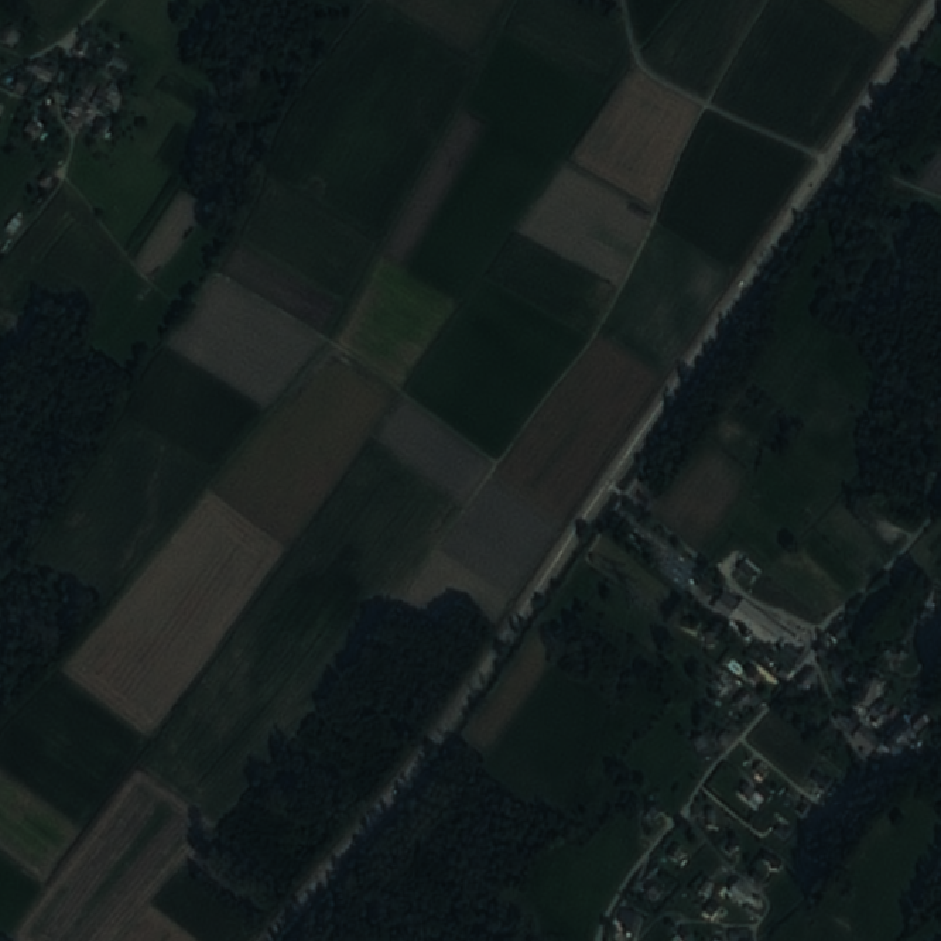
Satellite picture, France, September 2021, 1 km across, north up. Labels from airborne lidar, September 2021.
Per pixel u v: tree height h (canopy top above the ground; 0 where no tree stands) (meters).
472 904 14
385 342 0
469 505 0
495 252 0
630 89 0
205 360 0
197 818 0
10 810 0
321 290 0
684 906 0
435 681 29
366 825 0
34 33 10
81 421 27
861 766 10
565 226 0
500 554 0
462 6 0
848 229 9
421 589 0
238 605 0
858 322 24
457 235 0
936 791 26
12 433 23
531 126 0
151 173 0
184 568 0
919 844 0
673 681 0
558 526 0
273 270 0
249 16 26
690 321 0
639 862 0
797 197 0
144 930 0
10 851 0
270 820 7
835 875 24
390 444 0
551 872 0
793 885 0
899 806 16
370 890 21
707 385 24
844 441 0
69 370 27
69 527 0
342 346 0
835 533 0
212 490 0
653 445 12
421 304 0
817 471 0
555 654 31
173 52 0
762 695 14
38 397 27
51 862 0
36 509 21
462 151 0
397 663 29
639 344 0
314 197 0
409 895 19
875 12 0
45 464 25
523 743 0
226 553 0
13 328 0
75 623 27
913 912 19
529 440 0
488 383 0
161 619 0
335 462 0
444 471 0
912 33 0
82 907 0
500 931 17
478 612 24
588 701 0
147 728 0
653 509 0
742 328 21
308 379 0
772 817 0
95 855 0
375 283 0
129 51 0
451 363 0
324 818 30
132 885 0
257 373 0
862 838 20
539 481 0
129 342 0
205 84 0
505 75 0
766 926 0
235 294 0
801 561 0
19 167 0
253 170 33
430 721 28
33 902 0
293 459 0
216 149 29
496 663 11
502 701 0
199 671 0
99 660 0
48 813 0
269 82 18
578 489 0
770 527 0
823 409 0
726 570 0
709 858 0
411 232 0
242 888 37
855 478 0
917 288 28
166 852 0
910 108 19
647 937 0
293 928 14
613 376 0
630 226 0
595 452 0
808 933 0
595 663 13
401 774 0
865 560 0
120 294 0
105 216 9
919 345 29
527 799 0
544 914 0
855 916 0
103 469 0
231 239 22
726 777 0
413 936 14
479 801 16
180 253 0
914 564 0
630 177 0
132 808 0
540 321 0
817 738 18
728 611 0
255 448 0
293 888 7
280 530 0
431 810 23
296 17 15
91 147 15
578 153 0
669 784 0
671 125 0
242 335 0
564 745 0
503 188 0
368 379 0
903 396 16
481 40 0
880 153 21
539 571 0
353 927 27
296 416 0
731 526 0
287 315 0
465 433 0
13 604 25
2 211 0
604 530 12
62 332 29
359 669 27
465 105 0
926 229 26
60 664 18
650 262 0
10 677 22
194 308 10
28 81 7
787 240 11
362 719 19
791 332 0
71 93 10
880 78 0
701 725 16
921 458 8
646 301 0
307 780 29
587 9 10
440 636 31
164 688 0
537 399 0
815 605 0
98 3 0
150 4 0
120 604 0
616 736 0
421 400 0
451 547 0
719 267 0
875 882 0
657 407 0
